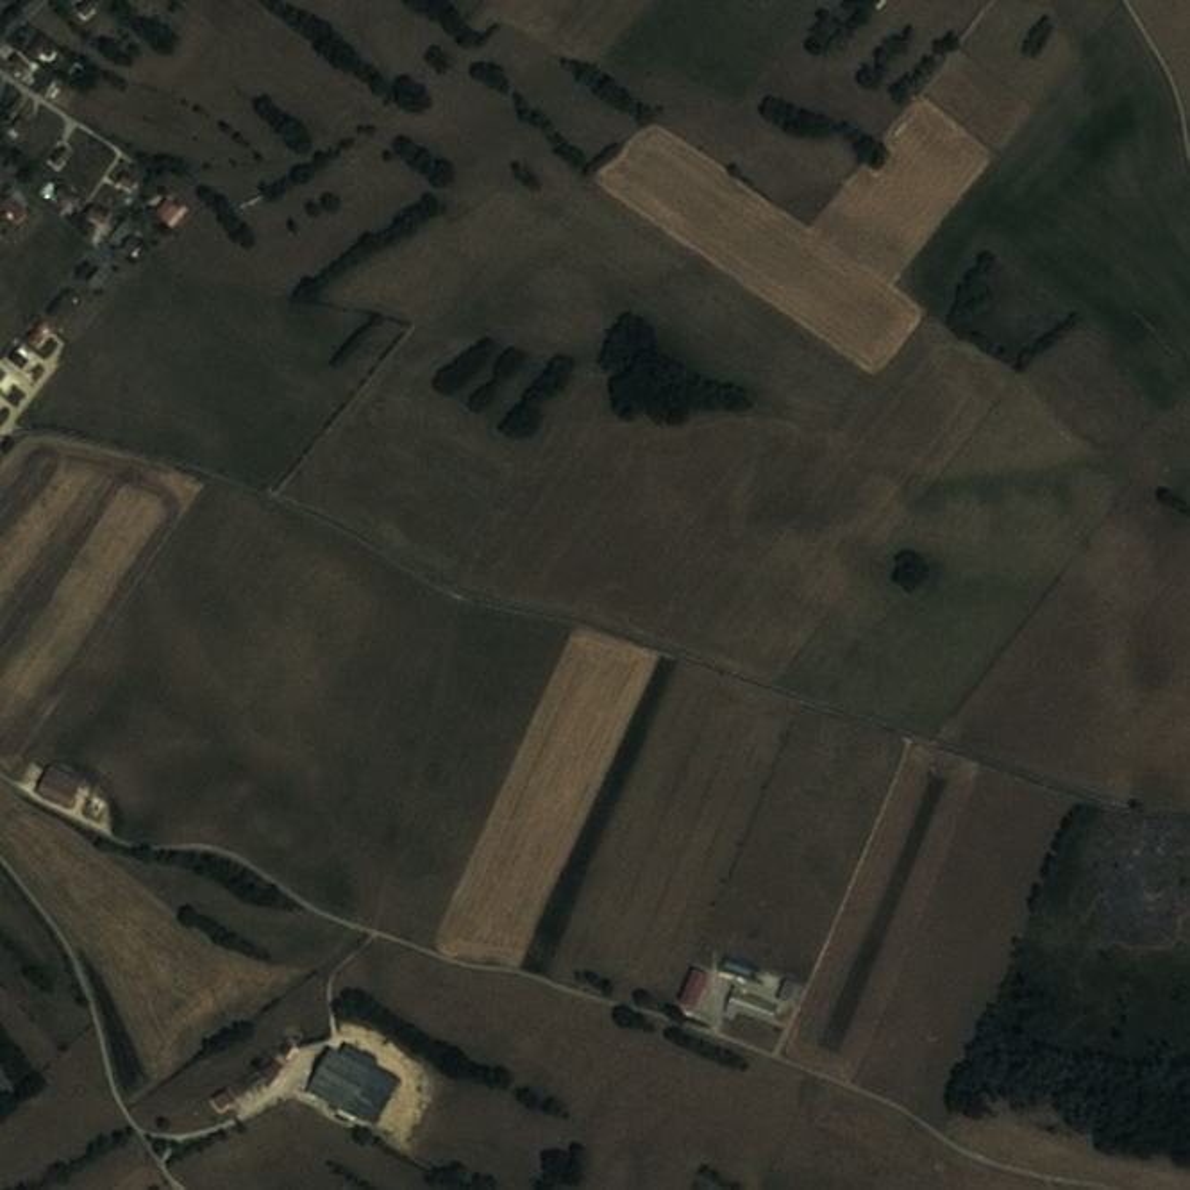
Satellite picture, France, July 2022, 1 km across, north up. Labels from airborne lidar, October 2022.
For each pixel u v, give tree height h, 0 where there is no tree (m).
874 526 0
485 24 0
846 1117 0
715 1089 0
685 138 0
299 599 0
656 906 0
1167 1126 12
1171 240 0
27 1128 0
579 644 0
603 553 0
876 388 0
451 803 0
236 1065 0
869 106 0
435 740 0
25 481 0
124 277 0
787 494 0
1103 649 0
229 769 0
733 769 0
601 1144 0
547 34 0
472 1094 0
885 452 0
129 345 0
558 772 0
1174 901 0
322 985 0
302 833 0
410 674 0
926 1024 0
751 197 0
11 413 0
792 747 0
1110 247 0
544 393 12
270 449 0
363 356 0
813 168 0
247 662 0
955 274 0
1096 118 0
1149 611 0
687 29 0
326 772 0
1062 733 0
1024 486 0
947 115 0
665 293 0
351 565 0
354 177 0
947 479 0
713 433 0
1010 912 0
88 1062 0
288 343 0
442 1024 0
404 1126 0
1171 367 0
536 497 0
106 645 0
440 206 17
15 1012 0
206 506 0
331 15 0
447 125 0
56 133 0
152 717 0
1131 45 0
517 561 0
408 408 0
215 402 0
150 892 0
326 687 0
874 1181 0
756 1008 0
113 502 0
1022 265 0
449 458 0
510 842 0
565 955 0
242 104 0
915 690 0
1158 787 0
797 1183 0
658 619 0
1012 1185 0
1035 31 7
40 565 0
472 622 0
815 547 0
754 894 0
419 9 18
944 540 0
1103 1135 14
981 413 0
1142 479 0
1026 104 0
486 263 0
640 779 0
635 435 0
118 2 7
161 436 0
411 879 0
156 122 0
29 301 0
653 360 21
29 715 0
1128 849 0
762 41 0
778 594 0
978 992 0
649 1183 0
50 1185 12
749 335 0
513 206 0
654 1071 0
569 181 0
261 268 0
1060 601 0
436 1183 14
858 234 0
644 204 0
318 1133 0
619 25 0
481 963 0
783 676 0
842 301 0
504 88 13
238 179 0
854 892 0
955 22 0
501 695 0
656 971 0
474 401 6
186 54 0
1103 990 0
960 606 0
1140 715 0
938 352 0
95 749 0
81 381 0
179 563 0
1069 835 12
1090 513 0
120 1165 0
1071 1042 0
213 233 0
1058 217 0
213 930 11
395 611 0
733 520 0
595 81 8
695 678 0
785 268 0
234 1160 0
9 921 0
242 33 0
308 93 0
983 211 0
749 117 0
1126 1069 17
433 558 0
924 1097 0
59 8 9
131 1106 0
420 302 0
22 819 0
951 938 0
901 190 0
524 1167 0
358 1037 0
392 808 0
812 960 0
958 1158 0
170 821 0
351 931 0
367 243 12
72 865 0
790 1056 0
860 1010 0
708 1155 0
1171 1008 0
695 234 0
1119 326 0
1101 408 0
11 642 0
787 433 0
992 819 0
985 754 0
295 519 0
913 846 0
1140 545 0
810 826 0
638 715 0
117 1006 0
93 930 0
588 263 0
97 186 0
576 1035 0
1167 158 0
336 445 0
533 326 0
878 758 0
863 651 0
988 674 0
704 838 0
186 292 0
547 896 0
